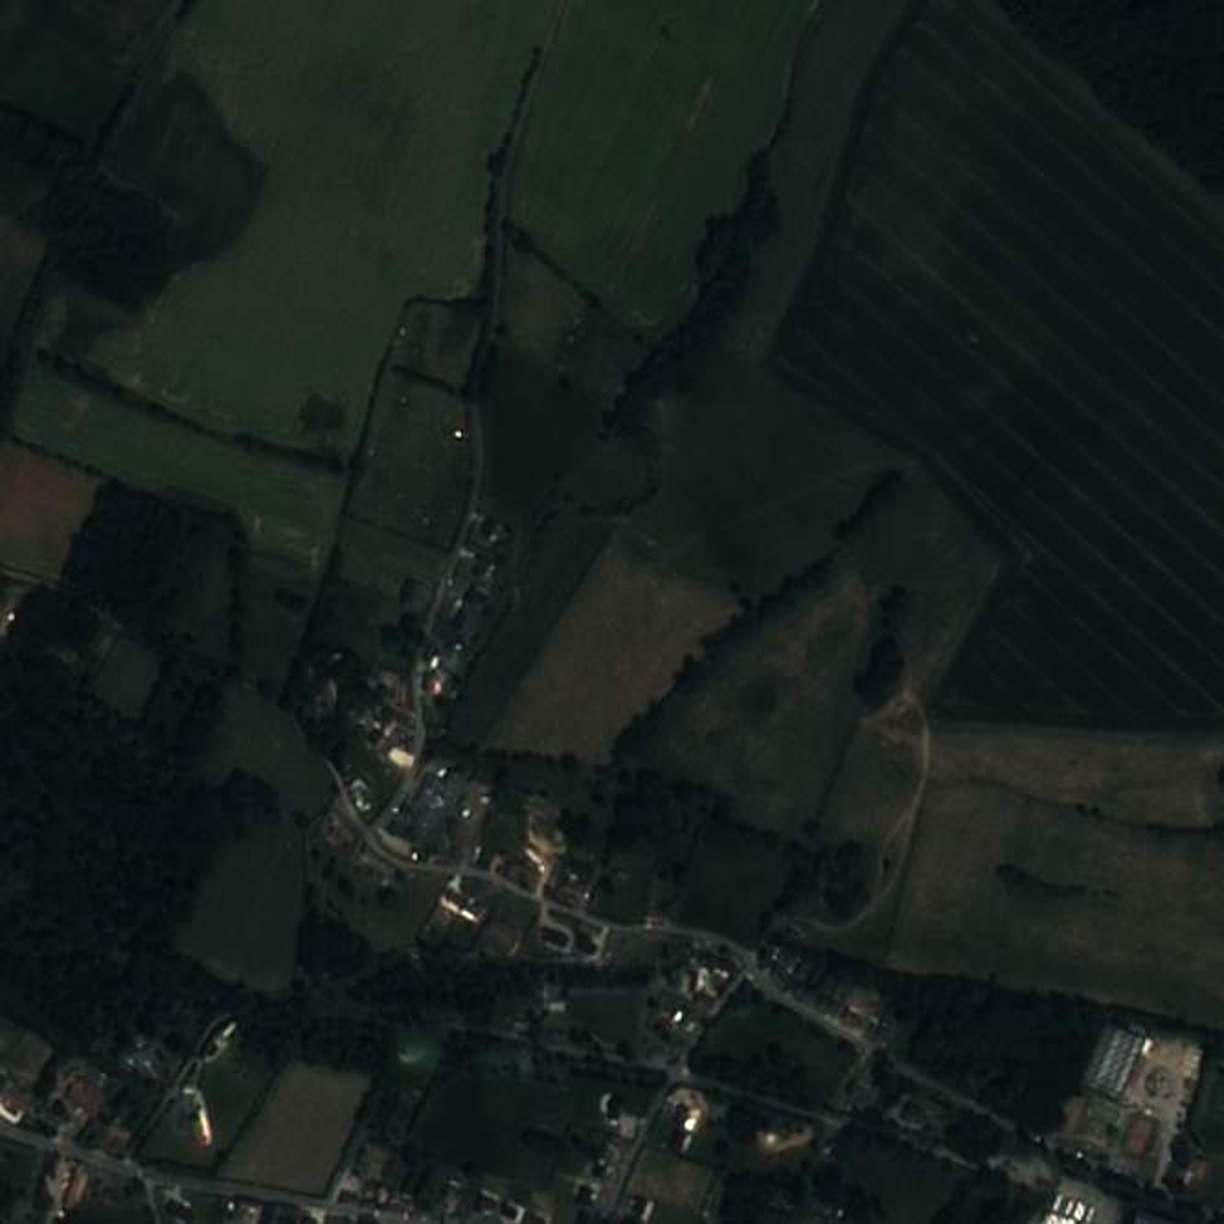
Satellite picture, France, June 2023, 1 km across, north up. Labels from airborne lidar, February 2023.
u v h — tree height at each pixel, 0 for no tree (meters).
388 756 0
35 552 0
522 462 0
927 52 0
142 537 26
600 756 0
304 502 0
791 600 12
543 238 0
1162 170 0
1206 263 0
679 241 0
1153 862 0
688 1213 0
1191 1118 10
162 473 0
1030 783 0
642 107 0
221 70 0
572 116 0
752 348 0
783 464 0
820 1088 0
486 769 0
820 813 0
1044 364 0
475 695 0
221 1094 0
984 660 0
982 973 0
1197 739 0
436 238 0
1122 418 0
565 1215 0
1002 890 0
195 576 0
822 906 0
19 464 0
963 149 0
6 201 0
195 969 22
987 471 0
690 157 0
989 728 0
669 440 0
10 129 8
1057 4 25
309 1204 0
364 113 0
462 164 0
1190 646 0
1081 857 0
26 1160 0
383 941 0
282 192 0
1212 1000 0
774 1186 17
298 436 0
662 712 17
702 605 0
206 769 0
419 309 0
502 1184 0
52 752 32
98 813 31
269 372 0
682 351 18
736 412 0
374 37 0
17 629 12
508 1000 0
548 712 0
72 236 13
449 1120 0
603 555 0
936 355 0
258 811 22
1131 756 0
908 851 0
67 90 0
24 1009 0
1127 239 0
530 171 0
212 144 0
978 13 0
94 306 0
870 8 0
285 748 0
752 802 0
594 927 0
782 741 0
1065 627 0
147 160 0
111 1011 16
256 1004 17
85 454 0
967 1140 19
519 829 0
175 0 0
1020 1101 16
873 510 13
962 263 0
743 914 0
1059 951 0
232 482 0
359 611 0
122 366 0
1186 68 22
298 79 0
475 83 0
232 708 0
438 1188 0
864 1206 28
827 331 0
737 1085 9
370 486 0
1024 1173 0
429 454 0
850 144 0
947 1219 15
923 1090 12
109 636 0
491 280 12
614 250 0
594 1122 0
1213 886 0
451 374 0
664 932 0
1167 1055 0
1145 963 0
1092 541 0
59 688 26
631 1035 0
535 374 0
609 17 0
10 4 0
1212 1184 0
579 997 0
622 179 0
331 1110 0
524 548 0
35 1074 0
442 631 0
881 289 0
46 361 14
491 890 0
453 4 0
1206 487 0
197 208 0
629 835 20
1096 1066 0
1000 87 0
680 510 0
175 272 0
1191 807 0
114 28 0
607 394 0
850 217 0
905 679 0
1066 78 0
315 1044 11
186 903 25
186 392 0
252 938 0
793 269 0
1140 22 26
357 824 0
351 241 0
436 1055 0
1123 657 0
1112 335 0
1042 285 0
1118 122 0
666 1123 0
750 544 0
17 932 8
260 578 0
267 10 0
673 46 0
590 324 0
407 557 0
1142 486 0
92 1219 0
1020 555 0
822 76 0
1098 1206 0
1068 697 0
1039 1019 28
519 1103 0
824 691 0
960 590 0
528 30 0
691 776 0
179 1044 15
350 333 0
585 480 0
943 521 0
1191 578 0
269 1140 0
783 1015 11
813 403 0
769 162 11
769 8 0
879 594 0
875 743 0
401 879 11
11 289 0
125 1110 11
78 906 30
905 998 12
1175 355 0
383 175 0
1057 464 0
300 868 0
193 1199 0
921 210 0
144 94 0
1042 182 0
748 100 0
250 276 0
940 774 0
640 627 0
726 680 0
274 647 0
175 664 10
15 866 26
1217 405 0
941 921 0
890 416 0
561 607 0
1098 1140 0
